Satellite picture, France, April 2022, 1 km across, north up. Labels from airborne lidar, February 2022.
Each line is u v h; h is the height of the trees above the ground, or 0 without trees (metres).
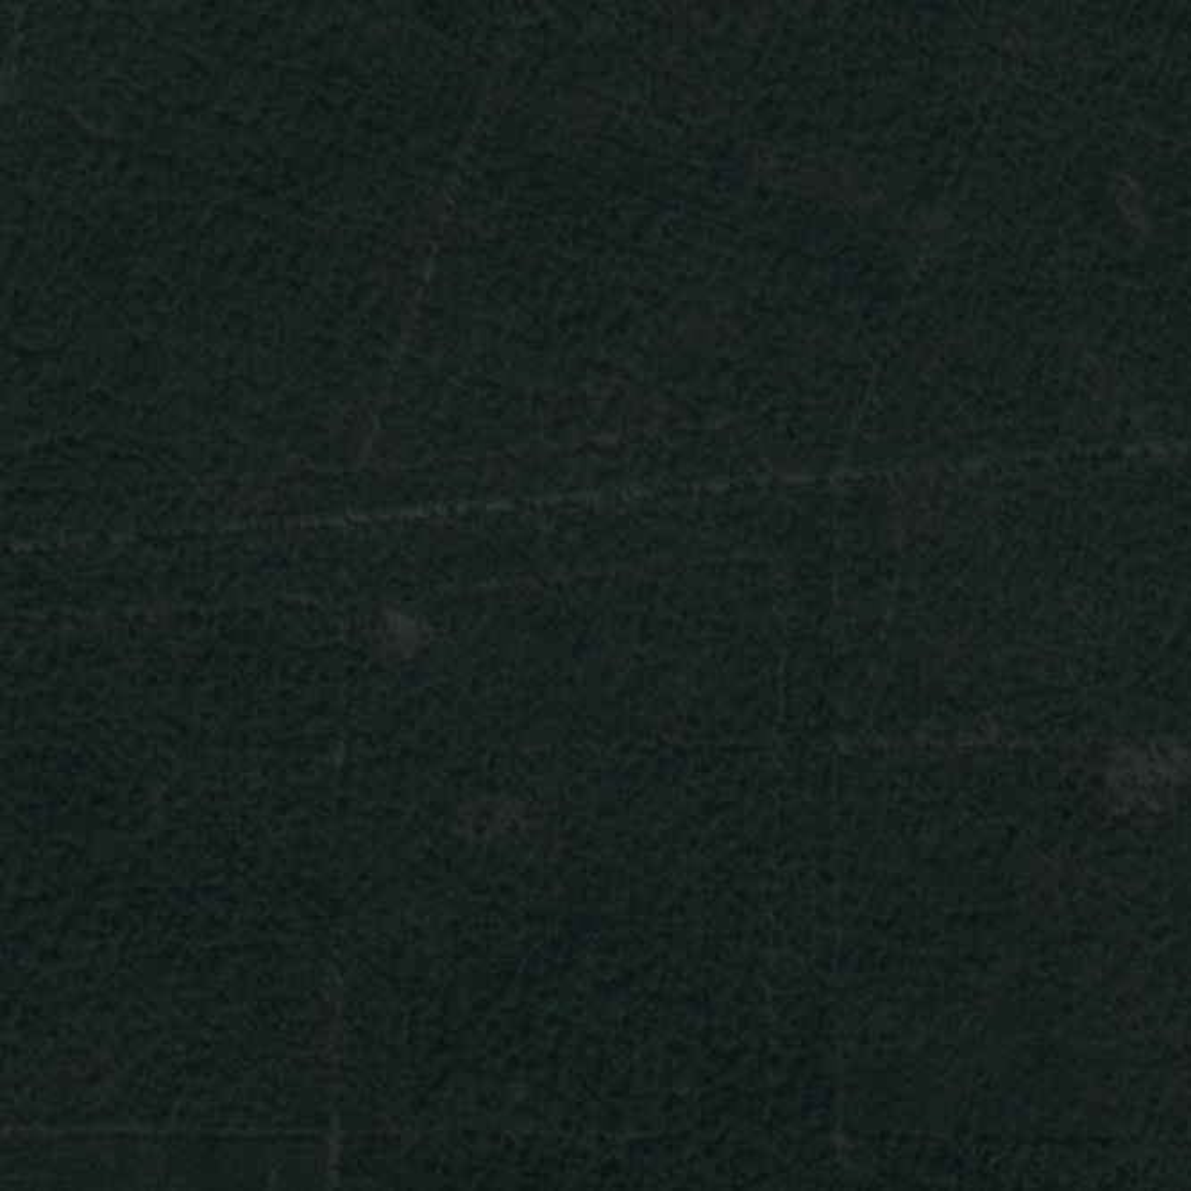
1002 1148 18
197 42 14
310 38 16
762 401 15
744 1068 18
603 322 17
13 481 11
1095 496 18
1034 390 15
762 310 16
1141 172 9
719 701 16
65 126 10
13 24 17
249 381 18
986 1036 9
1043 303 17
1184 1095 6
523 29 18
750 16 19
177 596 21
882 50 17
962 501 15
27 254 17
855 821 19
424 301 7
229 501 8
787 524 18
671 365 9
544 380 19
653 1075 21
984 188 18
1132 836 15
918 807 15
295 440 14
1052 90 14
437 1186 11
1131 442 7
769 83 16
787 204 9
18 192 16
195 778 18
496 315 17
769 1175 18
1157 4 12
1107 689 19
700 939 14
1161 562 18
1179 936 12
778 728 13
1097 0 14
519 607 11
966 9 18
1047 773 14
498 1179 15
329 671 12
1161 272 11
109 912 15
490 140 11
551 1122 15
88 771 18
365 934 16
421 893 20
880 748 12
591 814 15
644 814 14
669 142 14
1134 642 15
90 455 16
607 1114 15
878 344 15
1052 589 17
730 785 15
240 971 19
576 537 17
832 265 11
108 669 13
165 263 16
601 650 11
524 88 15
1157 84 12
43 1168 9
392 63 16
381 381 14
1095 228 12
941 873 18
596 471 15
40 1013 7
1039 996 17
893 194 15
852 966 16
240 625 19
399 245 15
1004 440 17
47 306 18
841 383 14
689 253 17
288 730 13
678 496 14
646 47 18
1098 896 14
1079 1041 15
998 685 14
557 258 13
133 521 14
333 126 19
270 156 18
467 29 14
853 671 15
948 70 18
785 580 19
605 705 12
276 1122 10
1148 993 15
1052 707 15
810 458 16
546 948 20
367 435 14
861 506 13
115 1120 17
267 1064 11
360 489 13
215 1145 11
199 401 16
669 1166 18
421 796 21
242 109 16
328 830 14
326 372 12
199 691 20
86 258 16
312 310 18
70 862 16
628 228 15
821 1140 17
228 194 19
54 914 18
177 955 17
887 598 16
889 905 19
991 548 13
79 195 21
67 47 17
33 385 18
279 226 18
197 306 18
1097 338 19
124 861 17
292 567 20
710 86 17
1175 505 18
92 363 19
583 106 15
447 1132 17
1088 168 11
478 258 17
